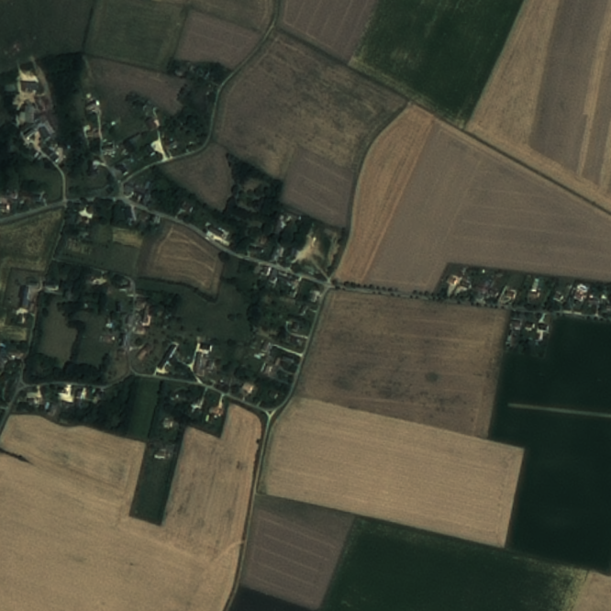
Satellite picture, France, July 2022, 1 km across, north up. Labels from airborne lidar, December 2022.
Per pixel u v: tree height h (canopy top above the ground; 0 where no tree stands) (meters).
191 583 0
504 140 0
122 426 14
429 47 0
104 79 0
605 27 0
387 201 0
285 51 0
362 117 0
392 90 0
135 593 0
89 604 0
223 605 0
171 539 0
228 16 0
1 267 0
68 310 13
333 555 0
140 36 0
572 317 0
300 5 0
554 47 0
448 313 0
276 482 0
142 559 0
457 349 0
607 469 0
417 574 0
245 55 0
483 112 0
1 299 0
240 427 0
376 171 0
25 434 0
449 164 0
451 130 0
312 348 0
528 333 0
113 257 0
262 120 0
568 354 0
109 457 0
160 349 0
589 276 0
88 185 0
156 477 0
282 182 9
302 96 0
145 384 0
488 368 0
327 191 0
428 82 0
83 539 0
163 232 0
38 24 0
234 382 0
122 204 10
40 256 0
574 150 0
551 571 0
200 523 0
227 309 0
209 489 0
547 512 0
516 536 0
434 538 0
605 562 0
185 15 0
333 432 0
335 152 0
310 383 0
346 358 0
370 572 0
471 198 0
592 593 0
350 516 0
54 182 0
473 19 0
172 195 5
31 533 0
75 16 0
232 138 0
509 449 0
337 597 0
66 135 6
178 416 10
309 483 0
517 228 0
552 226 0
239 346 0
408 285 0
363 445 0
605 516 0
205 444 0
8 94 6
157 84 0
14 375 6
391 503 0
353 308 0
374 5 0
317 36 0
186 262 0
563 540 0
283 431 0
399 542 0
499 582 0
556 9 0
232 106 0
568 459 0
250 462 0
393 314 0
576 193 0
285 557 0
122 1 0
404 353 0
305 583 0
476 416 0
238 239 11
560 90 0
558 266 0
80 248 0
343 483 0
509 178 0
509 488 0
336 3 0
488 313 0
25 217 0
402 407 0
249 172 11
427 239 0
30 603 0
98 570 0
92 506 0
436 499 0
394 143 0
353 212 0
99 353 0
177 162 0
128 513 0
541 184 0
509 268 0
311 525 0
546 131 0
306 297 8
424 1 0
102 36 0
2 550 0
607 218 0
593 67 0
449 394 0
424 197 0
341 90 0
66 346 0
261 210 9
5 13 0
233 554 0
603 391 0
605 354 0
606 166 0
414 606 0
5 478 0
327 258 0
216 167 0
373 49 0
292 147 0
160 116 0
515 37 0
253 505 0
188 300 0
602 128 0
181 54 0
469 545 0
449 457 0
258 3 0
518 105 0
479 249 0
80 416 7
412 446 0
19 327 0
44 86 0
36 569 0
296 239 10
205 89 0
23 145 8
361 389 0
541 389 0
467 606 0
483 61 0
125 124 0
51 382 9
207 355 0
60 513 0
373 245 0
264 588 0
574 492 0
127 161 0
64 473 0
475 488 0
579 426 0
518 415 0
